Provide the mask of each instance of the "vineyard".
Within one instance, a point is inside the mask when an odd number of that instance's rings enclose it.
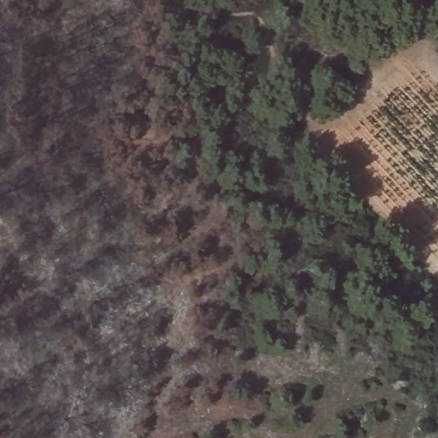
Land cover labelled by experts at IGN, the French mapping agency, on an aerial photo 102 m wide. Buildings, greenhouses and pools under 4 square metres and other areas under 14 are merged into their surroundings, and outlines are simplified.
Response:
[[[428,257],[429,272],[438,275],[438,55],[435,43],[428,39],[416,41],[407,50],[397,51],[397,55],[388,58],[371,72],[371,86],[366,91],[363,103],[327,123],[306,116],[308,127],[301,137],[301,140],[310,147],[311,157],[317,161],[325,161],[327,173],[347,178],[352,192],[356,195],[363,193],[363,197],[370,200],[375,212],[382,217],[388,217],[392,224],[405,224],[414,240],[426,248],[431,248]]]

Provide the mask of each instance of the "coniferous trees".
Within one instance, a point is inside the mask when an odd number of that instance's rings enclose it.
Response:
[[[21,351],[31,349],[34,364],[22,378],[9,378],[0,371],[0,438],[438,438],[438,275],[429,272],[428,257],[431,248],[426,248],[414,240],[405,224],[392,224],[388,217],[382,217],[375,212],[370,200],[363,197],[363,193],[356,195],[352,192],[347,178],[327,173],[325,161],[317,161],[311,157],[310,147],[301,140],[301,137],[308,127],[306,116],[327,123],[363,103],[366,91],[371,86],[371,72],[388,58],[397,55],[397,51],[407,50],[416,41],[428,39],[435,43],[438,55],[438,0],[0,0],[0,250],[5,246],[15,250],[21,245],[27,253],[27,260],[21,262],[22,272],[27,275],[26,282],[17,291],[17,296],[10,298],[9,305],[0,313],[0,339],[14,340],[19,344]]]

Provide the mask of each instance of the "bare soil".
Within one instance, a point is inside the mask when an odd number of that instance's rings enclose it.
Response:
[[[14,340],[0,339],[0,371],[9,378],[22,378],[34,364],[31,349],[21,351],[19,344]]]
[[[21,245],[15,250],[5,246],[0,250],[0,313],[9,305],[10,298],[17,296],[17,291],[26,282],[27,275],[22,272],[21,262],[27,260],[27,253]]]

